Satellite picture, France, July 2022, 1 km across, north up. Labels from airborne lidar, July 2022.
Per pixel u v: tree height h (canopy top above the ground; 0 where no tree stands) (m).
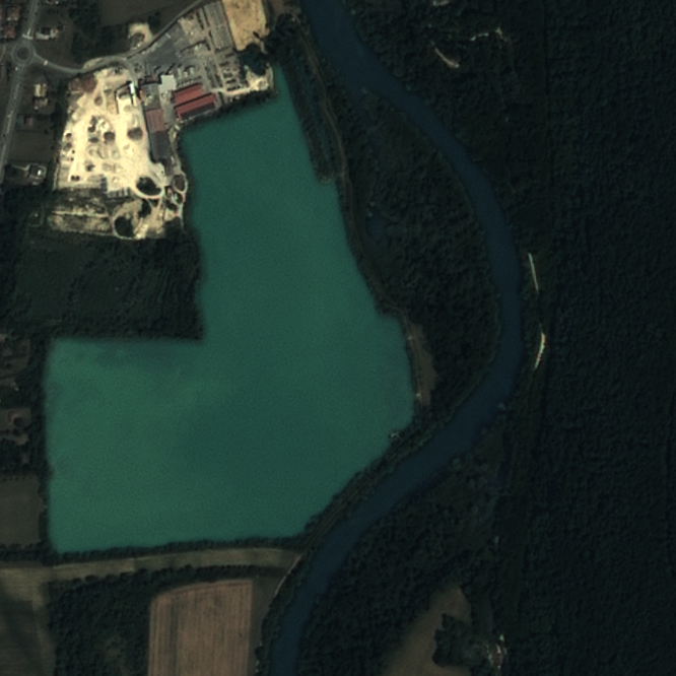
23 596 0
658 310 21
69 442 0
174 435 0
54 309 6
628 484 22
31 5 0
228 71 0
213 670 0
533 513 9
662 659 17
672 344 20
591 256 26
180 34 0
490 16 22
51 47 0
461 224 21
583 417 24
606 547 24
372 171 11
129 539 0
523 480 21
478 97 25
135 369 0
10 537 0
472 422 0
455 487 7
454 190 16
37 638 0
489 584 8
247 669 0
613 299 26
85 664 13
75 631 19
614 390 22
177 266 8
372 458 0
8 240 15
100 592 20
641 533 21
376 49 13
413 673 0
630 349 23
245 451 0
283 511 0
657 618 21
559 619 19
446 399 14
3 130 0
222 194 0
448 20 17
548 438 26
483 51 22
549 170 6
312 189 0
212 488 0
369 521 0
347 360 0
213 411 0
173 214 0
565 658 19
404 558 17
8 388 0
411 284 10
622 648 17
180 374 0
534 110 22
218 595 0
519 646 10
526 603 19
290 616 0
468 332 15
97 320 6
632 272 21
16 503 0
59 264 7
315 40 0
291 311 0
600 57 21
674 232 19
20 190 10
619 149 22
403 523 9
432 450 0
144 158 0
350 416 0
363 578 13
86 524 0
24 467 11
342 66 0
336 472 0
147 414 0
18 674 0
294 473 0
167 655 0
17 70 0
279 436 0
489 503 14
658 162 29
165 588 15
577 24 12
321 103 16
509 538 10
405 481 0
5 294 9
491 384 0
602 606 24
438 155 9
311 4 0
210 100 0
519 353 0
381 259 6
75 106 0
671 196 18
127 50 0
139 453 0
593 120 27
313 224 0
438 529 21
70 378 0
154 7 0
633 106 22
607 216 23
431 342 10
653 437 24
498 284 0
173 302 13
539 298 17
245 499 0
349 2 0
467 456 7
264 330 0
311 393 0
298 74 6
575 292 23
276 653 0
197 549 6
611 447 21
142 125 0
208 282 0
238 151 0
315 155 7
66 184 0
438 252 15
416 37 27
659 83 17
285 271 0
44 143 0
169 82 0
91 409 0
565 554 26
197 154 0
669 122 16
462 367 6
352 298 0
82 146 0
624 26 24
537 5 8
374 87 0
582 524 29
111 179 0
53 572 0
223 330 0
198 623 0
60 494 0
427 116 0
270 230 0
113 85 0
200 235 0
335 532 0
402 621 25
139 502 0
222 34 0
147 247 19
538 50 10
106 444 0
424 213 21
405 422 0
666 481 18
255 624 0
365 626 9
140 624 7
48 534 11
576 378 21
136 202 0
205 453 0
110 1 0
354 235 6
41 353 11
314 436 0
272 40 11
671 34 27
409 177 6
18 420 14
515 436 35
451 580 29
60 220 0
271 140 0
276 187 0
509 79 22
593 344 24
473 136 23
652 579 18
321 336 0
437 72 30
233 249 0
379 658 30
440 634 16
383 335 0
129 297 11
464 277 22
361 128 17
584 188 17
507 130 22
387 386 0
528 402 7
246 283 0
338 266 0
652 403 25
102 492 0
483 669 12
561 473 24
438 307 13
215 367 0
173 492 0
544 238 11
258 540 6
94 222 0
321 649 19
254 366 0
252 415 0
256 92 9
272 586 0
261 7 0
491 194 0
